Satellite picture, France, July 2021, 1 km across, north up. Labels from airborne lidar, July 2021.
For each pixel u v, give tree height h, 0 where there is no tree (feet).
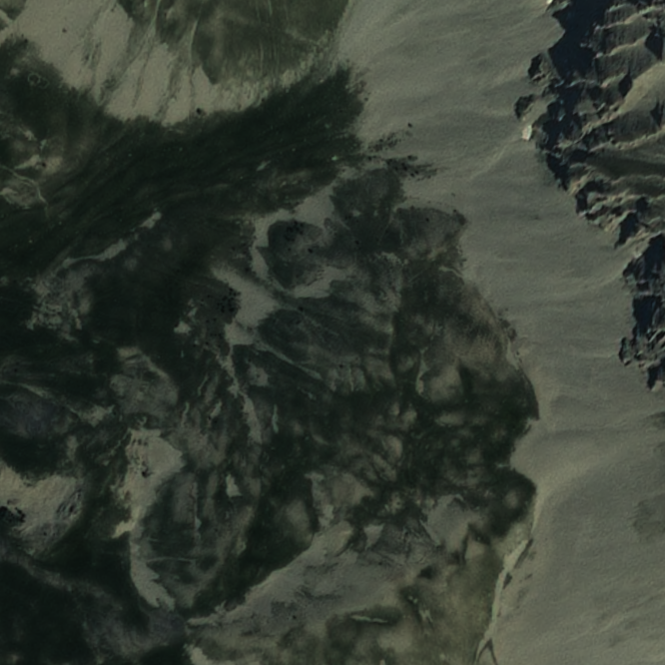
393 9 0
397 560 0
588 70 0
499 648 0
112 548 0
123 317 0
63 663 0
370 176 0
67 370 0
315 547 0
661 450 0
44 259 0
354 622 0
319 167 0
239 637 0
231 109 0
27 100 0
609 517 0
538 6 0
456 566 0
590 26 0
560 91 0
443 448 0
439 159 0
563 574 0
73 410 0
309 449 0
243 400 0
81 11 0
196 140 0
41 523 0
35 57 0
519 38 0
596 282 0
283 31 0
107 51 0
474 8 0
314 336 0
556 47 0
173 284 0
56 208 0
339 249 0
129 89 0
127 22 0
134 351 0
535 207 0
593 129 0
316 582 0
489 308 0
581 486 0
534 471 0
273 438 0
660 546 0
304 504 0
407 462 0
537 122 0
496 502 0
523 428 0
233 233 0
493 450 0
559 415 0
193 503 0
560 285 0
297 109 0
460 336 0
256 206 0
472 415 0
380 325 0
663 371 0
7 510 49
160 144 0
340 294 0
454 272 0
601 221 0
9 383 0
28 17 0
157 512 0
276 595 0
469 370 0
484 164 0
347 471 0
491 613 0
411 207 0
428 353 0
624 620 0
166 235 0
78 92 0
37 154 0
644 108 0
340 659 0
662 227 0
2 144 0
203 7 0
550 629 0
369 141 0
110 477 0
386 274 0
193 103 0
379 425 0
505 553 0
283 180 0
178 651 0
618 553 0
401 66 0
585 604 0
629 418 0
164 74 0
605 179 0
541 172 0
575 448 0
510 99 0
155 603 0
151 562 0
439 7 0
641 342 0
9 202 0
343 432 0
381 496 0
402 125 0
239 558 0
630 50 0
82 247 0
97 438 0
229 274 0
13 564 0
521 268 0
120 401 0
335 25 0
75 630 0
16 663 0
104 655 0
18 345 0
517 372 0
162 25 0
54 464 0
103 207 0
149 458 0
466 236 0
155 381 0
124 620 0
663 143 0
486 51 0
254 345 0
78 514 0
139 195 0
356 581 0
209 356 0
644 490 0
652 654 0
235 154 0
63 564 0
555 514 0
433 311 0
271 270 0
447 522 0
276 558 0
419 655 0
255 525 0
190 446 0
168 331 0
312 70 0
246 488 0
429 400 0
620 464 0
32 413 0
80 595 0
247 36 0
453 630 0
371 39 0
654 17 0
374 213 0
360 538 0
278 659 0
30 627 0
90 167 0
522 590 0
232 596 0
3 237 0
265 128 0
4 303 0
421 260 0
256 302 0
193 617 0
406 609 0
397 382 0
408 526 0
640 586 0
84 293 0
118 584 0
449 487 0
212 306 0
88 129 0
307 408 0
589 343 0
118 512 0
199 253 0
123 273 0
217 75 0
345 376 0
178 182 0
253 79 0
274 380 0
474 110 0
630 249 0
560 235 0
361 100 0
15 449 0
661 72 0
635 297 0
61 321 0
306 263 0
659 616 0
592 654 0
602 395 0
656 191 0
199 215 0
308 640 0
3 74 0
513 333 0
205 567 0
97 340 0
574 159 0
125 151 0
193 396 0
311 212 0
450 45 0
